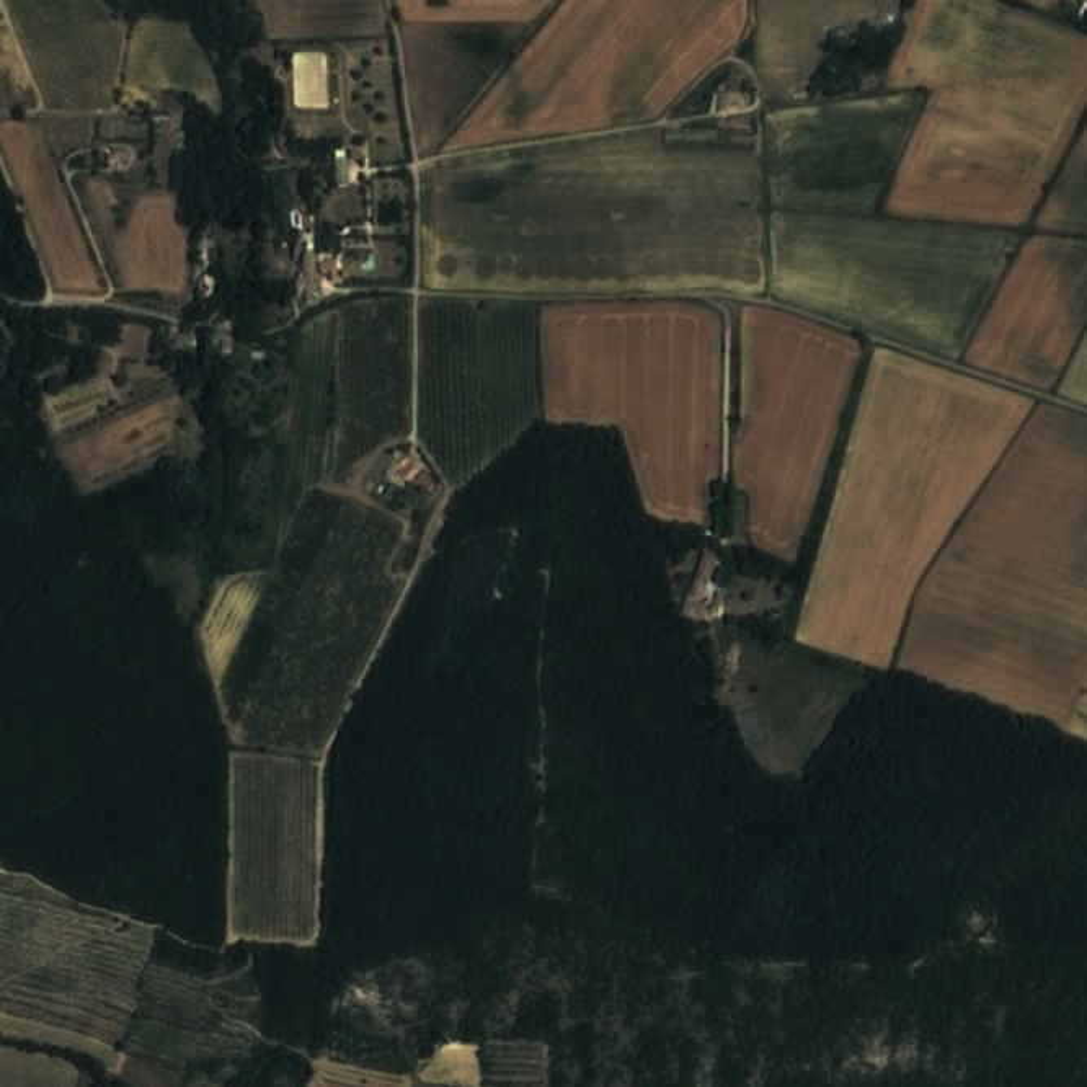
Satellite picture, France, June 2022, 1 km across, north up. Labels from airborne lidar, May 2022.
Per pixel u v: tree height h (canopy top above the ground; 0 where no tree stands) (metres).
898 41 10
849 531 0
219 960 7
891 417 0
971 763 9
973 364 0
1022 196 0
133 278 0
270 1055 7
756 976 6
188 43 0
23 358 17
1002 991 9
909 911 9
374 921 6
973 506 0
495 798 7
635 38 0
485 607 8
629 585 12
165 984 0
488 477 11
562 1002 8
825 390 0
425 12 0
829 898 9
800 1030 7
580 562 6
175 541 6
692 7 0
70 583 5
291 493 0
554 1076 8
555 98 0
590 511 8
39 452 9
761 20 0
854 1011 9
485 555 7
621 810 8
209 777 10
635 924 7
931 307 0
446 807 8
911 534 0
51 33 0
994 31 0
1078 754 14
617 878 8
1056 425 0
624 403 0
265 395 6
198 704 13
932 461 0
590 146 0
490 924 6
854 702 13
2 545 8
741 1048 8
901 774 9
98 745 7
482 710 8
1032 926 10
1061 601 0
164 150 0
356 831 11
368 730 10
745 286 0
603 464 12
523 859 7
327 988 7
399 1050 6
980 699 11
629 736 11
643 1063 7
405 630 8
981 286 0
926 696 14
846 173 0
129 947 0
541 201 0
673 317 0
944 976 8
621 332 0
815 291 0
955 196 0
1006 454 0
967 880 8
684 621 15
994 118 0
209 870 10
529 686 8
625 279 0
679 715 13
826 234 0
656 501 0
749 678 0
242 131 11
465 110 0
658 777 9
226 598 0
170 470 20
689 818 9
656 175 0
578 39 0
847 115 0
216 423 21
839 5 0
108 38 0
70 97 0
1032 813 9
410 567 7
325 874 10
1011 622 0
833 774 16
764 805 17
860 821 14
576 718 10
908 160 0
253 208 18
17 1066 0
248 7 10
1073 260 0
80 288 0
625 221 0
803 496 0
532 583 7
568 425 9
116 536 6
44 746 9
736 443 0
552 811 9
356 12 0
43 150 0
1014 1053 6
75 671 6
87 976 0
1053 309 0
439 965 6
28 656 7
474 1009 6
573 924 6
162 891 6
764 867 12
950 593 0
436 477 7
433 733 8
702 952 9
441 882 8
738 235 0
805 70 0
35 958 0
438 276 0
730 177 0
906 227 0
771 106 0
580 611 10
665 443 0
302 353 0
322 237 7
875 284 0
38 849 8
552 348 0
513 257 0
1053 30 0
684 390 0
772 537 0
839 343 0
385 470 0
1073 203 0
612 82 0
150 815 11
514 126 0
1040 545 0
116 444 0
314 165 8
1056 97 0
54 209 0
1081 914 8
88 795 7
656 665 15
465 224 0
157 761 9
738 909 11
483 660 8
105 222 0
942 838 9
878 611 0
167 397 0
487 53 0
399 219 12
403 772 9
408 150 7
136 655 7
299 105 0
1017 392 0
